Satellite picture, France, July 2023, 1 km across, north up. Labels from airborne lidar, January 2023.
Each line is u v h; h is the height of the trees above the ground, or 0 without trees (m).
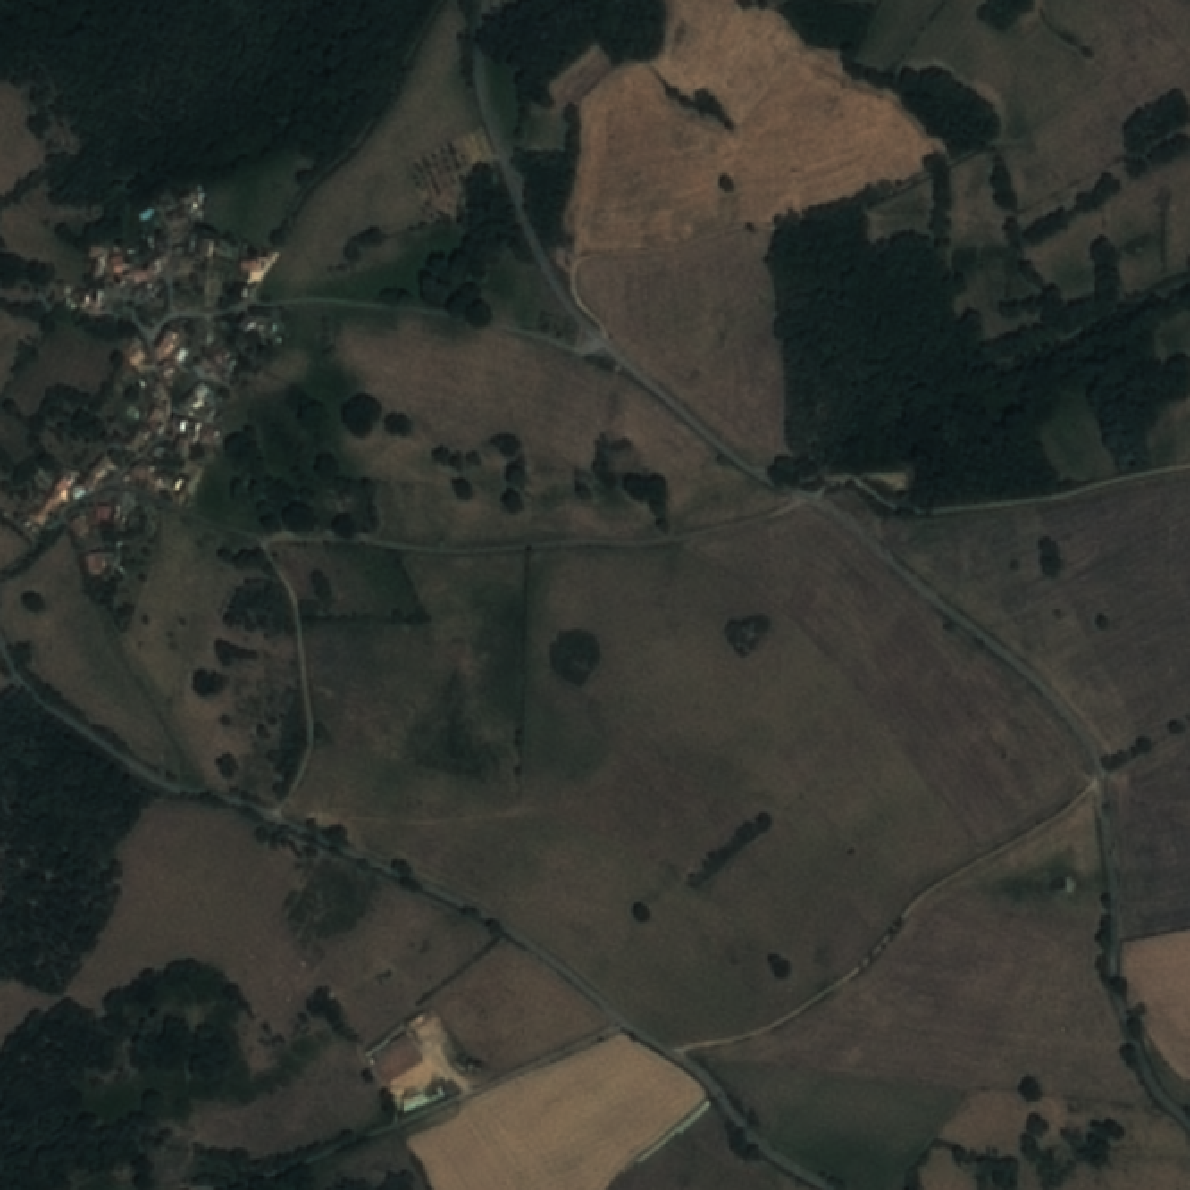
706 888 0
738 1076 0
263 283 0
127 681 0
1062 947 0
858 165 0
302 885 0
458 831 0
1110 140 0
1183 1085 0
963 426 27
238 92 17
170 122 18
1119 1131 20
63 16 21
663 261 0
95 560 0
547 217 10
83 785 8
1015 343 21
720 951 0
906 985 0
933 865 0
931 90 14
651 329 0
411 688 0
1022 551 0
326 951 0
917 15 0
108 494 0
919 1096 0
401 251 0
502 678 0
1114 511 0
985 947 0
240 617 9
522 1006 0
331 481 16
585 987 0
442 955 0
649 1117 0
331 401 0
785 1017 0
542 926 0
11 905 13
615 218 0
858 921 0
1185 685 0
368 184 0
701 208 0
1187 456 0
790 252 10
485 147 0
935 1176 0
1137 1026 11
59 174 9
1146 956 0
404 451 0
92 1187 0
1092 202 16
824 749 0
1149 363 17
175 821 0
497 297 0
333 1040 0
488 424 0
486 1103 0
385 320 0
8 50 20
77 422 10
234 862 0
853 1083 0
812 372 12
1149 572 0
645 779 0
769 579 0
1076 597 0
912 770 0
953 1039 0
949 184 15
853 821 0
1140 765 0
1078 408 0
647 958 0
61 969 14
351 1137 10
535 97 13
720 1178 0
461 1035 0
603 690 0
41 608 10
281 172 0
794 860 0
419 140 0
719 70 0
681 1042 0
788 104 0
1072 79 0
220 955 0
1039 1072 0
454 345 0
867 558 0
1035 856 0
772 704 0
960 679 0
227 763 13
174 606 0
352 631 0
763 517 0
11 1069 18
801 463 12
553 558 0
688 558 0
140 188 19
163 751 0
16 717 17
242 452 16
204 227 11
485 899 0
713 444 0
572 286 0
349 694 0
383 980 0
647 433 0
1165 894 0
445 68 0
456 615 0
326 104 17
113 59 14
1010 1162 11
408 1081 0
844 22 9
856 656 0
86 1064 16
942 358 20
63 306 10
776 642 0
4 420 0
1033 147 0
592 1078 0
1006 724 0
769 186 0
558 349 0
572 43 14
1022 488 14
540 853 0
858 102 0
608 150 0
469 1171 0
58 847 16
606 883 0
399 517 0
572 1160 0
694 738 0
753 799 0
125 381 0
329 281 0
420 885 6
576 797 0
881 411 22
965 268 0
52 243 0
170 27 14
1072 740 0
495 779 0
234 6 15
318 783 0
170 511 0
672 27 0
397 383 0
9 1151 18
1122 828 0
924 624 0
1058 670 0
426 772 0
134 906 0
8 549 0
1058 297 20
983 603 0
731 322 0
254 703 0
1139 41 0
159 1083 0
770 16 0
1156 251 0
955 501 18
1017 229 18
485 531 0
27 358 14
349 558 0
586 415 0
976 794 0
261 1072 0
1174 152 18
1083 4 0
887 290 18
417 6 15
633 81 0
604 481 12
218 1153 11
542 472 0
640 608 0
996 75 0
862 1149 0
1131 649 0
